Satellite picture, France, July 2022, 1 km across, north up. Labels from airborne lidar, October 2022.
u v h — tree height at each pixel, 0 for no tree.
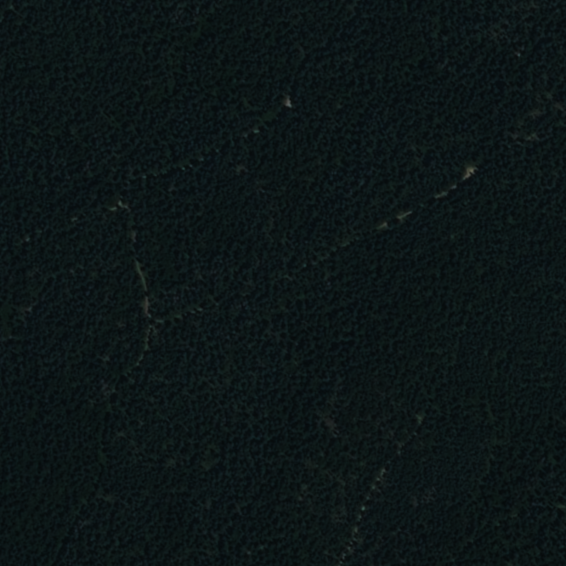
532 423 13
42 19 23
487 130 14
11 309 0
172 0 28
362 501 16
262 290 21
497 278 14
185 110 16
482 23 24
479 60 21
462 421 14
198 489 19
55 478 12
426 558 19
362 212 17
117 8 23
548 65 19
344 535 7
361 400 21
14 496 19
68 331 8
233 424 25
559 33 23
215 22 23
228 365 22
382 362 22
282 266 24
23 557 24
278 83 28
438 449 17
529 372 17
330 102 23
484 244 19
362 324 17
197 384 10
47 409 29
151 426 13
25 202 11
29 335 26
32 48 23
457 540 21
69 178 32
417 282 19
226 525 11
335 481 11
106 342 9
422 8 29
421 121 24
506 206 13
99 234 11
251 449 26
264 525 21
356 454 18
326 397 21
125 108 30
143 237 18
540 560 17
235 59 17
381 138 12
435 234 16
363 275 13
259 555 13
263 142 21
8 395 18
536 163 15
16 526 17
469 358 18
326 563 23
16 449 14
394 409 20
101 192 25
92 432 14
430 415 19
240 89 22
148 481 16
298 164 19
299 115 24
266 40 16
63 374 24
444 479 15
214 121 14
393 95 25
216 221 15
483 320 10
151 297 6
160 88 22
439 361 12
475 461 14
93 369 25
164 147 21
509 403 10
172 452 18
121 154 33
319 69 21
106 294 24
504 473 27
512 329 12
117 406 8
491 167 16
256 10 20
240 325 26
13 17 20
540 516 27
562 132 20
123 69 28
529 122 11
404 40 30
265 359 11
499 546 20
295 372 7
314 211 34
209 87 17
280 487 22
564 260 16
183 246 10
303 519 11
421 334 15
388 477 12
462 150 7
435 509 14
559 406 18
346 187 24
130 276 17
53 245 7
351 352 25
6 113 23
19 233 19
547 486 24
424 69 22
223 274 27
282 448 22
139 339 14
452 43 6
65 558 19
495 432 15
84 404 26
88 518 22
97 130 25
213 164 27
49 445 24
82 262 25
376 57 33
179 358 11
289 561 16
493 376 13
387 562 22
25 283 21
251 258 21
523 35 22
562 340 12
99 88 22
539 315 12
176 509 21
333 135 19
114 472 8
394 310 19
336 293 15
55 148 26
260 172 20
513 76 15
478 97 35
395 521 18
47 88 15
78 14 12
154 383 25
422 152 19
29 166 22
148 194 22
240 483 28
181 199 25
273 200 23
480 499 9
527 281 16
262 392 22
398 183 21
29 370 25
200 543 17
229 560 28
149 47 21
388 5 17
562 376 14
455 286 18
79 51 10
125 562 21
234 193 20
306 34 26
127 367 20
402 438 18
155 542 11
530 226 11
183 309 27
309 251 20
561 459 24
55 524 20
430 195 17
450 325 16
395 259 15
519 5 22
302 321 23
